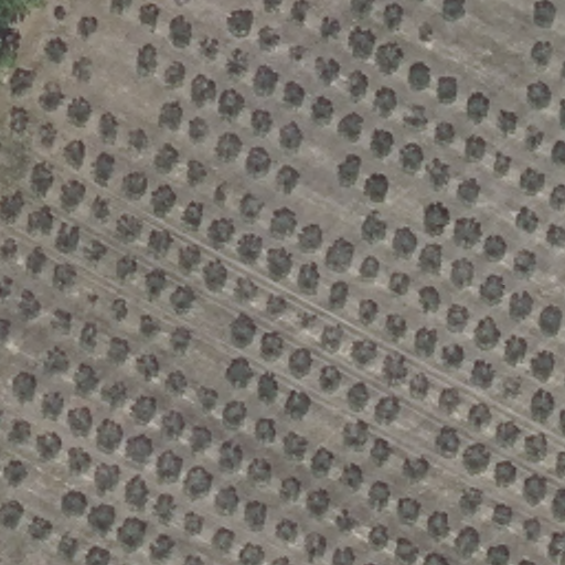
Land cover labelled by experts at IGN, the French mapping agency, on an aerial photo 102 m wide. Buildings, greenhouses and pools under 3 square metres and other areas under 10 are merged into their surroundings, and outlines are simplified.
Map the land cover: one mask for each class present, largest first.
<instances>
[{"label":"plowed land","instance_id":"1","mask_svg":"<svg viewBox=\"0 0 565 565\"><path fill-rule=\"evenodd\" d=\"M298 0H46L44 7H31L22 20L9 26L20 33L18 62L13 68H26L35 75L31 88H26L24 93L35 99L42 97L46 82H60L64 97L53 108L51 124H42L40 137L31 135V159H35L38 163L53 166V183L44 194L49 205L53 214L51 230H29L24 234L13 232L11 238L15 241V254L24 258H29L35 247H42L46 260L40 274L31 271L26 263L18 265L15 256L4 258L0 249V318H7L11 322L9 338L20 347L18 353H11L7 349V340L0 338V411L15 408L22 422H29L31 428L40 435L57 433L62 439L60 452L46 459L40 466L26 470V477L18 486L11 483L4 490V497L9 501H18L22 505V516L13 527L0 521V565H88L86 554L90 547H104L110 554L108 565H243L238 561V554L247 543L260 545L265 550L260 565H333V554L342 547H353V565H413L408 561L397 558L395 554L386 556L384 550L375 547L369 539L355 541L351 530H340L335 521L342 514V510H349V516L353 519L355 527L364 525L373 530L375 525H386L388 541L397 543L402 536H406L415 543L419 556L426 558L428 554L439 552L448 558V565H492L488 556L483 561H475L472 554L463 556L455 550V545H446L444 536H433L428 527L417 530L415 521H402L397 512L391 514L384 505L375 508L369 501V497L362 499L358 488L347 486L342 477L331 481L327 472L313 470V455L320 448H324V433L318 428L309 430L302 417L289 415L285 408L289 391L287 386L278 384V393L271 402L260 399L258 382L263 375L260 371H252L247 386H236L227 380L230 362L238 358V347L232 340V322L243 313L249 316L254 309L249 300H238L234 294L227 298L221 287L210 289L203 271L212 260H223V267L227 269L230 265H236V260L241 258L238 245L243 236H260V247L269 252L283 249L285 236H276L269 232L271 216L280 207H289L294 212L300 207V201H294L291 192L283 188V183H278V172L285 166H289L291 159H298V148H285L280 143V130L294 121L289 108L294 106L285 99V86L289 82L302 86V102L311 108L318 97H327L333 104V115L340 121L351 113H358L362 108L360 97L351 95L349 90V77L355 71H362L366 75V90L375 95L380 88H393L397 106L411 110L415 104H422L426 108L428 121L435 126L452 124L455 139L466 143L468 137H475L470 124L475 121L468 117V110H450L448 102H441L439 95L426 99L419 88L411 84V79L393 82V75L384 73L377 64V51L386 42H399L404 57L399 64L408 71L413 64L422 62L428 66V75L437 79L455 77L457 97L466 104L468 97L475 93L486 95L490 102L488 115L494 117L501 130L508 132H512L516 124L527 130V137L543 132V141L552 148L556 141H565V126L561 124V115L545 117L541 108L530 104L527 86L545 82L552 95L550 104L558 110L561 102L565 99V0H550L556 9V15L552 24L539 26L534 20V4L541 0H463V15L448 20L441 11L444 0H307V13L318 18L320 22L324 18H333L340 24V31L335 35L324 38L320 29L309 31L305 22L294 20L291 9ZM143 4L159 7L157 24L141 22L139 11ZM386 4H402L404 9V18L395 29H388V24L384 22ZM232 11H252L249 31L230 29L227 20ZM177 15H183L192 29V38L185 46L174 44L170 35V22ZM265 26H269L271 33L278 35V44H287L289 49L302 46L305 57L294 60L289 53L267 57V51L271 46L260 44L258 40V33ZM355 29L373 31L375 35L369 57H358L349 44V35ZM51 40L66 42V53L60 62H53L46 55V44ZM536 42L552 44V57L547 64H536L532 60V46ZM143 44H152L157 49V66L152 71L137 66V55ZM234 49H241L247 55L245 73L227 71V62L232 60ZM79 57L90 60L88 82L77 79L73 73V64ZM318 57L338 62L340 73L331 82L320 77V71L316 68ZM172 64L185 66V75L179 86L166 79V71ZM260 66H269L274 73H278L274 90H263L254 86V77ZM196 75H205L216 84L214 97L203 104H196L192 99V82ZM227 88L238 90L245 99L243 110L238 115H223L218 110L221 93ZM79 97L88 99L90 104V117L82 126H77L68 117L71 104ZM170 102L181 104L183 115L179 128H170L159 121L161 108ZM254 110H267V113H269V117H271V128H269V132H260V130H254V126H252V113H254ZM106 113H110L117 119L115 137H104L99 130L102 115ZM227 132L241 137V150L232 161L221 159L216 154L218 137ZM71 141H84L82 166H73L66 159L64 148ZM166 143L179 150V161L170 172L157 168L154 163L159 150ZM252 148H265L269 152L271 166L267 172L247 170V157ZM104 152L115 157V166L110 179L106 183H99L95 177V161ZM192 159L201 161L207 172L205 179L196 185L188 181V163ZM130 172H146L148 177L146 192L137 199H130L124 188V179ZM75 179L84 183L86 192L75 207H68L62 203V188ZM159 185H172L177 194V203L161 216L154 214L152 207V194ZM243 194H258L263 199L265 207L256 218H247L241 214ZM192 201L203 203V218L196 230H192V225H188L183 218L185 207ZM119 216L139 218L141 232L137 238L124 241L117 234ZM216 218H232L234 223L232 238L221 247H214L210 238V225ZM64 223L71 227L79 225V241L71 252H62L55 243L60 227ZM166 230L172 234V245L168 252H154L148 245L150 232ZM192 245L201 249V258L192 269H183L179 263V252ZM124 256H132L137 260V271L128 278H117V260ZM55 265L75 267V283L71 287L62 289L57 283H53ZM154 269L166 271V287L159 291V296H150L146 287V276ZM177 287L194 289V302L183 313L177 311L170 300ZM24 291H33L40 300V313L33 318H26L20 311ZM86 322H95L97 327L95 347L84 344L79 340L82 327ZM177 327L190 329L192 335L188 349L172 347L170 335ZM113 338L128 340V355L135 360H139L141 355H154L159 360V371L166 375L181 371L185 375V388L194 393H199L203 386L214 388L218 393L214 404L216 408L223 411L227 402H243L249 422L256 424L260 417L274 419L276 437L260 439L256 433L245 435L241 424H227L223 417L214 419L212 411L203 408L199 399L192 406H181L179 402H172L179 395L177 391H172L166 382L161 386H152L150 377H146L139 369L128 377L124 373L121 362H115L108 355ZM57 344L66 351L71 369L79 371V364L86 362L95 366L97 384L88 395H77L75 382L64 384L62 373H49L44 369L49 351ZM20 373H33L38 382L35 393L29 402H20L13 393V380ZM117 382H124L128 393L124 404L119 406L102 397L104 388H110ZM55 391L62 393L64 406L57 417H49L44 415L42 404L44 395H51ZM154 391L168 397V402L154 411L157 415L163 417L172 411H179L185 417V430L207 426L212 430V448L221 452V446L225 441L238 444L243 448L245 461L252 463L254 459H265L271 463V479H241L236 470H225L218 463V459L210 461L190 444L181 446V439L170 437L163 428L150 430L148 422H139L132 415V406L141 395H154ZM73 408H90L93 422L86 435H75L71 430L68 413ZM104 419L117 422L124 430L121 441L115 450H104L97 446V430ZM289 433H296L307 439V450L302 457L287 455L283 441ZM137 435H148L152 439V452L146 463L135 461L126 455L130 437ZM71 448H82L90 455V466L84 472L71 470ZM166 450H174L183 459L181 472L174 481L159 479L157 475V459ZM102 463L119 466V481L113 490L106 492H99L95 483V472ZM194 466H205L212 472V488L201 497H192L183 488L185 477ZM132 477H141L148 486V499L143 508H135L126 501V486ZM289 477L300 479L302 488L296 499L287 501L280 494V481ZM227 486H234L238 492V505L234 512L218 510L214 503L218 492ZM73 490L86 494V505L82 514H68L62 508L64 494ZM316 490L329 492V510L324 514H313L307 508V497ZM161 494H172L174 499V512L170 521H161L154 512L157 499ZM249 501H263L267 505L265 525L260 530H254L245 519V508ZM95 505L115 508V521L108 527V532H99L88 523V516ZM188 512H196L199 516H203V530L199 534L185 530ZM33 516H42L51 523V534L46 539L31 536L29 525ZM126 519H143L148 523L146 536L139 547H126L117 536ZM285 519L296 523L294 541H283L276 534V525ZM218 527H227L234 532V543L230 552H221L212 545V536ZM313 532H320L327 539V550L322 556L309 561L305 539ZM161 534H170L174 541L172 554L163 561L152 558L150 554V547L157 543ZM364 486L371 488L375 481H386L391 499H417L422 505L419 514L426 519L433 512H439L441 499L422 488L419 479H411L404 472V468L399 472L388 475L384 466H380L371 457L360 466ZM450 532L459 534L463 527H475L479 532L481 547L490 550L494 545H508L510 565H554L561 563V558L550 556V550L545 554H539L536 541H530L525 536V530L521 534H510L508 525H499L494 519L481 521L477 512L468 514L459 503L455 508H448L446 512Z\"/></svg>","mask_w":565,"mask_h":565},{"label":"deciduous trees","instance_id":"2","mask_svg":"<svg viewBox=\"0 0 565 565\"><path fill-rule=\"evenodd\" d=\"M46 0H0V82H11V93H24L26 88H31L35 75L26 68H13L18 62L20 33L9 26L22 20L31 7H44ZM307 0H298L291 9L294 20L305 22L309 31L320 29L324 38L335 35L340 31V24L333 18H324L320 22L318 18L307 13ZM441 11L448 20L463 15V0H444ZM556 15V9L550 0H541L534 4V20L539 26L552 24ZM141 22L157 24L159 7L143 4L139 11ZM404 18V9L402 4H386L384 22L388 24V29H395ZM230 29L249 31L252 11H232L227 20ZM170 35L174 44L185 46L192 38V29L183 15H177L170 22ZM258 40L260 44L271 46L267 51V57L289 53L294 60L305 57L302 46L289 49L287 44H278V35L271 33L269 26H265L258 33ZM375 35L373 31L355 29L349 35V44L358 57H369ZM66 53V42L51 40L46 44V55L53 62H60ZM404 57L399 42H386L377 51V64L384 73L393 75V82L411 79V84L419 88L426 99L439 95L441 102H448L450 110H468V117L475 121H481L488 115L490 102L486 95L475 93L468 97L466 104L457 97L455 77L437 79L428 75V66L422 62L413 64L408 71L399 64ZM552 57V44L536 42L532 46V60L536 64H547ZM137 66L152 71L157 66V49L152 44H143L137 55ZM227 71L245 73L247 55L241 49H234L232 60L227 62ZM90 60L79 57L73 64V73L77 79L88 82ZM316 68L320 71V77L331 82L340 73L338 62L318 57ZM185 75V66L172 64L166 71V79L179 86ZM278 73H274L269 66H260L254 77V86L263 90H274ZM366 75L362 71H355L349 77V90L351 95L360 97L366 90ZM216 84L205 75H196L192 82V99L196 104H203L214 97ZM64 97L60 82H46L42 97V104L46 108H53ZM302 86L289 82L285 86V99L294 106L302 102ZM552 95L545 82L527 86L530 104L541 108L545 117L561 115V124L565 126V99L561 102L558 110L550 104ZM245 99L238 90L227 88L221 93L218 110L223 115H238L243 110ZM373 104L382 113L388 115L397 106L393 88H380L375 95ZM68 117L77 126H82L90 117V104L88 99L79 97L71 104ZM313 119H329L333 115V104L327 97H318L311 108ZM183 115L181 104L170 102L161 108L159 121L170 128H179ZM413 115L404 117L411 126H426L428 121L426 108L422 104H415L411 110ZM29 124V110L15 106L11 108V130L24 132ZM252 126H254V130H260V132H269V128H271V117H269V113H267V110H254V113H252ZM99 130L104 137H115L117 119L110 113H106L102 115ZM340 132H344L349 139H358L362 130V117L358 113H351L340 121ZM280 143L285 148H298L302 143V130L294 121L280 130ZM371 146L380 157H384L391 152L393 135L386 130H375ZM241 150V137L227 132L218 137L216 154L221 159L232 161ZM466 152L472 159H481L486 152V141L481 137H468L466 143ZM66 159L73 166H82L84 141H71L64 148ZM179 161V150L166 143L159 150L154 163L157 168L170 172ZM402 166L417 170L424 159L422 146L408 143L399 152ZM271 166L269 152L265 148H252L247 157V170L267 172ZM115 166V157L104 152L95 161V177L99 183H106L110 179ZM360 172V157L349 154L340 163L338 174L340 181L353 183ZM207 172L201 161L192 159L188 163V181L196 185L205 179ZM428 177L433 185H444L448 181V166L435 159ZM31 181L33 188L44 194L53 183V166L38 163L33 168ZM278 183H283V188L291 192L298 183V170L289 166H285L278 172ZM519 181L527 192L534 194L543 188L545 177L527 168ZM148 177L146 172H130L124 179V188L130 199H137L146 192ZM364 190L373 201H382L388 190V181L384 174H373L369 177ZM86 192L84 183L75 179L62 188V203L68 207H75ZM457 194L461 201H477L479 183L475 179H468L459 185ZM177 203V194L172 185H159L152 194V207L154 214L161 216ZM24 205V199L22 192H15L11 196H2L0 201V216L4 221L15 218ZM265 207L263 199L258 194H243L241 214L247 218H256ZM183 218L188 225H192V230H196L203 218V203L192 201L185 207ZM426 232L441 234L448 223V210L441 203H430L424 210ZM53 214L49 205L40 207L29 216V230H51ZM296 227L294 212L289 207H280L271 216L269 232L276 236H285L291 234V230ZM516 223L525 232H534L539 225V216L527 207H521ZM362 234L369 241L382 238L386 234V223L377 218V210H373L362 223ZM141 232L139 218L119 216L117 234L124 241L137 238ZM234 223L232 218H216L210 225V238L214 247H221L232 238ZM481 234L479 221L459 218L452 238L461 245H475ZM79 241V225L71 227L64 223L60 227L55 243L62 252H71ZM298 243L305 252L318 249V245L322 243V230L320 225H307ZM547 241L552 245L565 243V227L552 225L547 230ZM417 245V236L408 227H402L395 234L393 249L402 256H408ZM148 245L154 252H168L172 245V234L166 230L150 232ZM260 236H243L238 245L241 258L243 263H254L258 258L260 247ZM483 252L490 258H501L505 254V241L501 236H490L486 241ZM0 249L4 258L15 256L18 265L26 263L31 271L40 274L46 260L42 247H35L29 258H24L15 254V241L11 238L0 247ZM353 258V245L344 238H338L329 247L324 260L333 269H347ZM201 258V249L192 245L179 252V263L183 269H192ZM441 265V245H426L419 256V267L426 271H437ZM269 274L274 280H278L287 276L291 269V254L283 249L269 252ZM536 256L530 249H523L514 258V269L521 274H530L534 271ZM137 271V260L132 256H124L117 260V278H128ZM380 271V263L375 256H366L362 260L360 274L364 278H375ZM475 267L472 260L459 258L452 263L450 278L455 285L463 287L472 283ZM210 289L221 287L225 285L227 269L223 267V260H212L203 271ZM300 289L305 294L318 287V265L309 263L300 267L298 274ZM53 283H57L62 289L71 287L75 283V267L55 265ZM146 287L150 296H159V291L166 287V271L154 269L146 276ZM411 276L404 271H395L388 278V287L395 294H406ZM234 294L238 300H249L254 309H267L274 316H280L287 309V300L283 296H269L265 305L258 298L256 283L249 276L236 280ZM505 289L503 278L488 276L479 294L488 302H499ZM349 296V285L340 280L331 287V309L342 307ZM170 300L177 311L183 313L194 302V289L177 287ZM422 307L426 311H435L439 307V291L435 287H424L419 291ZM20 311L26 318H33L40 313V300L33 291H24ZM532 311V296L523 291L514 294L510 300V313L519 320ZM377 313V302L362 300L360 318L362 322H371ZM468 322V309L452 305L448 309V324L461 331ZM539 322L545 333L554 335L561 327V309L545 307ZM256 322L249 316L243 313L232 322V340L238 347L249 344L254 338ZM388 333L397 338L404 335L406 320H402V316H388ZM11 322L7 318H0V338L7 340V349L11 353H18L20 347L9 338ZM501 333L492 318H483L477 324L475 340L477 344L494 347ZM79 340L84 344L95 347L97 327L95 322H86L82 327ZM344 338L342 324H331L324 327L320 342L327 349H338ZM192 335L190 329L177 327L170 335L172 347L188 349ZM437 342V331L419 329L415 333V349L419 355H430ZM260 351L265 358H278L283 353V335L278 331H271L263 335ZM527 351V342L523 338L512 335L505 344V358L508 362L516 364ZM128 340L113 338L108 355L115 362H121L124 373L128 377L139 369L146 377H150L152 386H161L166 382L172 391H177L179 395L172 402H179L181 406H192L199 399L203 408L212 411L214 419L223 417L227 424H241L245 435L256 433L260 439L276 437L274 419L260 417L256 424L249 422L243 402H227L223 411L216 408L214 404L218 393L214 388L203 386L199 393H194L185 388V375L181 371L166 375L159 371V360L154 355H141L139 360H135L128 355ZM377 353V344L371 340H360L353 344L351 355L358 364H371ZM44 369L49 373H62L64 384L75 382L77 395H88L97 384L95 366L86 362L79 364V371L71 369L66 351L57 344L49 351ZM441 358L446 364H461L463 349L457 344L444 349ZM289 369L296 375H305L311 369V351L305 347L296 349L289 358ZM532 371L536 377H550V373L554 371V355L543 351L532 360ZM386 380H404L406 358L399 353H391L384 362ZM252 371L245 358H238L230 362L227 380L236 386H247ZM494 377L492 364L477 360L472 366V384L481 388L490 386ZM342 373L338 364H329L320 371V384L322 388L331 391L340 384ZM38 382L33 373H20L13 380V393L20 402H29L35 393ZM278 393V384L274 373L263 375L258 382L260 399L271 402ZM501 393L505 397H516L521 393V377L516 375L503 382ZM128 393L124 382H117L110 388H104L102 397L119 406L124 404ZM347 395L353 408H362L369 399V391L364 382H358L349 388ZM439 404L448 411H455L459 406V391L444 388L439 395ZM64 406L62 393L55 391L51 395H44L42 404L44 415L49 417H57ZM168 402V397L154 391V395H141L132 406V415L139 422H148L150 430L163 428L170 437L181 439V446L190 444L210 461L218 459V463L225 470H236L241 479H271V463L265 459H254L252 463L245 461L243 448L238 444L225 441L221 446V452L212 448V430L207 426L185 430V417L179 411H172L163 417L157 415L154 411ZM309 395L300 391H289L285 408L289 415L302 417L309 411ZM554 408V395L550 391H536L532 395V417L536 422H545ZM399 415V397L393 395L382 397L377 402V419L393 422ZM468 419L475 426H483L490 422V406L481 402L468 411ZM93 422L90 408H73L68 413L71 430L75 435H86ZM124 430L117 422L104 419L97 430V446L104 450H115L121 441ZM31 428L29 422H13L9 435L13 441H24ZM342 437L349 446H364V441L371 444V457L380 466H384L388 475L399 472L404 468V472L411 479H419L428 475V459H411L404 450L388 446L386 439H380L375 433L369 430L366 422H349L344 426ZM494 435L503 444H512L519 437V426L514 422H503L497 426ZM437 448L441 452H457V428L444 426L435 439ZM62 439L57 433L40 435L38 448L46 459L60 452ZM287 455L302 457L307 450V439L296 433H289L283 441ZM152 452V439L148 435H137L130 437L126 455L135 461L146 463ZM525 452L532 461H539L547 455V437L532 435L525 439ZM490 461L488 446L472 444L463 455V463L468 470L481 472L483 479L494 477L501 486L514 481L516 468L512 461L497 463V470L492 472L486 468ZM71 470L84 472L90 466V455L82 448H71ZM313 470L327 472L331 481L342 477L347 486L358 488L362 499L369 497V501L375 508L384 505L391 514L397 512L402 521H415L417 530L428 527L433 536H444L446 545H455V550L463 556L472 554L475 561H483L488 556L492 565H510L508 545H494L490 550L481 547L479 532L475 527H463L459 534L450 532L446 512H433L426 519L419 514L422 505L417 499H391L386 481H375L371 488L364 486L360 466L351 463L347 457H335L331 450L324 448H320L313 455ZM183 459L174 450H166L157 459V475L159 479L174 481L181 472ZM11 483L18 486L26 477V470L22 461H11L4 470ZM119 481V466L102 463L95 472V483L99 492H106L113 490ZM183 488L192 497H201L212 488V472L205 466H194L185 477ZM523 494L527 501L539 503L545 497V477L532 475L523 483ZM148 499V486L141 477H132L126 486V501L135 508H143ZM302 488L300 479L289 477L280 481V494L287 501L296 499ZM214 503L218 510L234 512L238 505V492L234 486H227L218 492ZM483 494L479 488H468V494L461 497L459 503L468 514L477 512L481 521L494 519L499 525H508L510 534H521L525 530V536L530 541H536L539 554H545L550 550V556L561 558V563L554 565H565V532H554L552 539H547L541 534L539 519H527L521 525L512 521V508L505 503H497L494 512L490 508H483ZM86 505V494L73 490L64 494L62 508L68 514H82ZM307 508L313 514H324L329 510V492L316 490L307 497ZM154 512L161 521H170L174 512V499L172 494H161L157 499ZM22 516V505L18 501H9L0 505V521L13 527ZM267 505L263 501H249L245 508V519L254 530H260L265 525ZM115 521V508L95 505L88 516V523L99 532H108V527ZM340 530H351L355 541L369 539L375 547L384 550L386 556L395 554L397 558L408 561L413 565H448V558L439 552L428 554L426 558L419 556L415 543L406 536H402L397 543L388 541L386 525H375L373 530L364 525L355 527L353 519L349 516V510H342V514L335 521ZM185 530L199 534L203 530V516H199L196 512H188ZM31 536L46 539L51 534V523L42 516H33L29 525ZM148 523L143 519H126L117 536L126 547H139L146 536ZM276 534L283 541H294L296 523L285 519L276 525ZM234 543V532L227 527H218L212 536V545L221 552H230ZM309 561L322 556L327 550V539L320 532H313L305 539ZM174 541L170 534H161L157 543L150 547V554L152 558L163 561L172 554ZM265 550L260 545L247 543L238 554V561L243 565H260ZM88 565H108L110 554L104 547H90L86 554ZM353 547H342L333 554V565H353Z\"/></svg>","mask_w":565,"mask_h":565},{"label":"herbaceous vegetation","instance_id":"3","mask_svg":"<svg viewBox=\"0 0 565 565\"><path fill-rule=\"evenodd\" d=\"M15 106L29 110V124L24 132L11 130V108ZM53 108H46L42 104V97L35 99L24 93H11V82H0V201L2 196H11L15 192H22L24 199V205L15 218L4 221L0 216V247L11 238L13 232L24 234L29 230V216L40 207L49 205L44 194L33 188L31 181L33 168L38 163L35 159H31V135L40 137L42 124H51ZM362 108L358 113L362 117V130L358 139H349L344 132H340V121L333 115L329 119H313L311 108L302 102L294 106L289 108L294 121L302 130V143L298 148V159H291L289 166L298 170V183L291 192L294 201H300V207L294 212L296 227L291 230V234L285 236L283 249L291 254V269L287 276L278 280H274L269 274V252L260 247L258 258L254 263H243L241 258L236 260V265H230L227 269L225 285L221 287L227 298L234 294L236 280L249 276L256 283L258 298L265 305L269 296H283L287 300V309L280 316H274L267 309H254L249 316L256 322L254 338L249 344L238 347V358H245L252 371H260L263 375L274 373L278 384L287 386L289 391H300L309 395V411L302 417L309 430L318 428L324 433V448L331 450L335 457H347L351 463L360 466L371 457V444L364 441V446H349L342 437L344 426L349 422H366L369 430L375 433L380 439H386L388 446L404 450L411 459H428V475L419 479L422 488L441 499L439 512H446L448 508H455L459 503L461 497L468 494V488H479L483 494V508H490L494 512L497 503H505L512 508V521L521 525L527 519H539L541 534L547 539H552L554 532H565V243L552 245L547 241V230L552 225L565 227V141H556L552 148L543 141V132L527 137V130L516 124L512 132H508L501 130L494 117L488 115L481 121H475L470 124L475 137H481L486 141V152L481 159H472L466 152V143L455 139L452 124L435 126L428 121L426 126H411L404 117L413 115L411 110L397 106L388 115L382 113L373 104L375 95L366 90L360 97ZM375 130H386L393 135L391 152L384 157H380L371 146ZM408 143L422 146L424 159L417 170L402 166L399 152ZM349 154L360 157V172L353 183L340 181L338 174L340 163ZM435 159L448 166V181L444 185H433L428 177ZM527 168L545 177L543 188L534 194L527 192L519 181ZM373 174H384L388 181V190L382 201H373L364 190L369 177ZM468 179H475L479 183L477 201H461L457 194L459 185ZM430 203H441L448 210V223L441 234L426 232L424 210ZM521 207H527L539 216V225L534 232H525L516 223ZM373 210H377V218L386 223V234L382 238L369 241L362 234V223ZM459 218L479 221L481 234L475 245H461L452 238ZM307 225H320L322 230V243L318 245V249L305 252L298 243ZM402 227H408L417 236V245L408 256H402L393 249L395 234ZM490 236H501L505 241V254L501 258H490L483 252L486 241ZM338 238H344L353 245V258L347 269H333L324 260L329 247ZM426 245H441V265L437 271H426L419 267V256ZM523 249H530L536 256L534 271L530 274H521L514 269V258ZM366 256H375L380 263V271L375 278H364L360 274L362 260ZM459 258L472 260L475 267L472 283L463 287L455 285L450 278L452 263ZM309 263L318 265V287L305 294L300 289L298 274L300 267ZM395 271H404L411 276L406 294H395L388 287V278ZM488 276L503 278L505 289L499 302H488L479 294ZM340 280L349 285V296L342 307L331 309V287ZM424 287H435L439 291V307L435 311H426L422 307L419 291ZM523 291L532 296V311L519 320L510 313V300L514 294ZM362 300L377 302V313L371 322H362L360 318ZM452 305L468 309V322L461 331L448 324V309ZM545 307L561 309V327L554 335L545 333L539 322ZM388 316H402V320H406L404 335L397 338L388 333ZM483 318H492L501 333L494 347L477 344L475 340L477 324ZM331 324H342L344 338L338 349H327L320 342L324 327ZM419 329L437 331V342L430 355H419L415 349V333ZM271 331H278L283 335V353L278 358H265L260 351L263 335ZM512 335L523 338L527 342V351L516 364L508 362L505 358V344ZM360 340H371L377 344V353L371 364H358L351 355L353 344ZM457 344L463 349L461 364H446L441 358L444 349ZM305 347L311 351V369L305 375H296L289 369V358L296 349ZM543 351L554 355V371L550 373V377H536L532 371V360ZM391 353H399L406 358L404 380H386L384 362ZM477 360L492 364L494 377L490 386L481 388L472 384V366ZM329 364H338L342 373L340 384L331 391L322 388L320 384V371ZM516 375L521 377V393L516 397H505L501 393L503 382ZM358 382H364L369 391V399L362 408H353L347 395L349 388ZM444 388L459 391V406L455 411H448L439 404V395ZM536 391H550L554 395V408L545 422H536L532 417V395ZM393 395L399 397V415L393 422L377 419V402L382 397ZM481 402L490 406V422L483 426H475L468 419V411ZM503 422H514L519 426V437L512 444H503L494 435L497 426ZM444 426L457 428V452H441L437 448L435 439ZM532 435L547 437V455L539 461H532L525 452V439ZM472 444L488 446L490 461L486 468L492 472L497 470V463L512 461L516 468L514 481L501 486L494 477L483 479L481 472L468 470L463 463V455ZM532 475L545 477V497L539 503L527 501L523 494V483ZM13 422H22L15 408L0 411V505L9 501L4 497V490L11 483L4 470L11 461H22L26 470L40 466L46 459L38 448L40 435L31 428L24 441H13L9 435Z\"/></svg>","mask_w":565,"mask_h":565}]
</instances>
